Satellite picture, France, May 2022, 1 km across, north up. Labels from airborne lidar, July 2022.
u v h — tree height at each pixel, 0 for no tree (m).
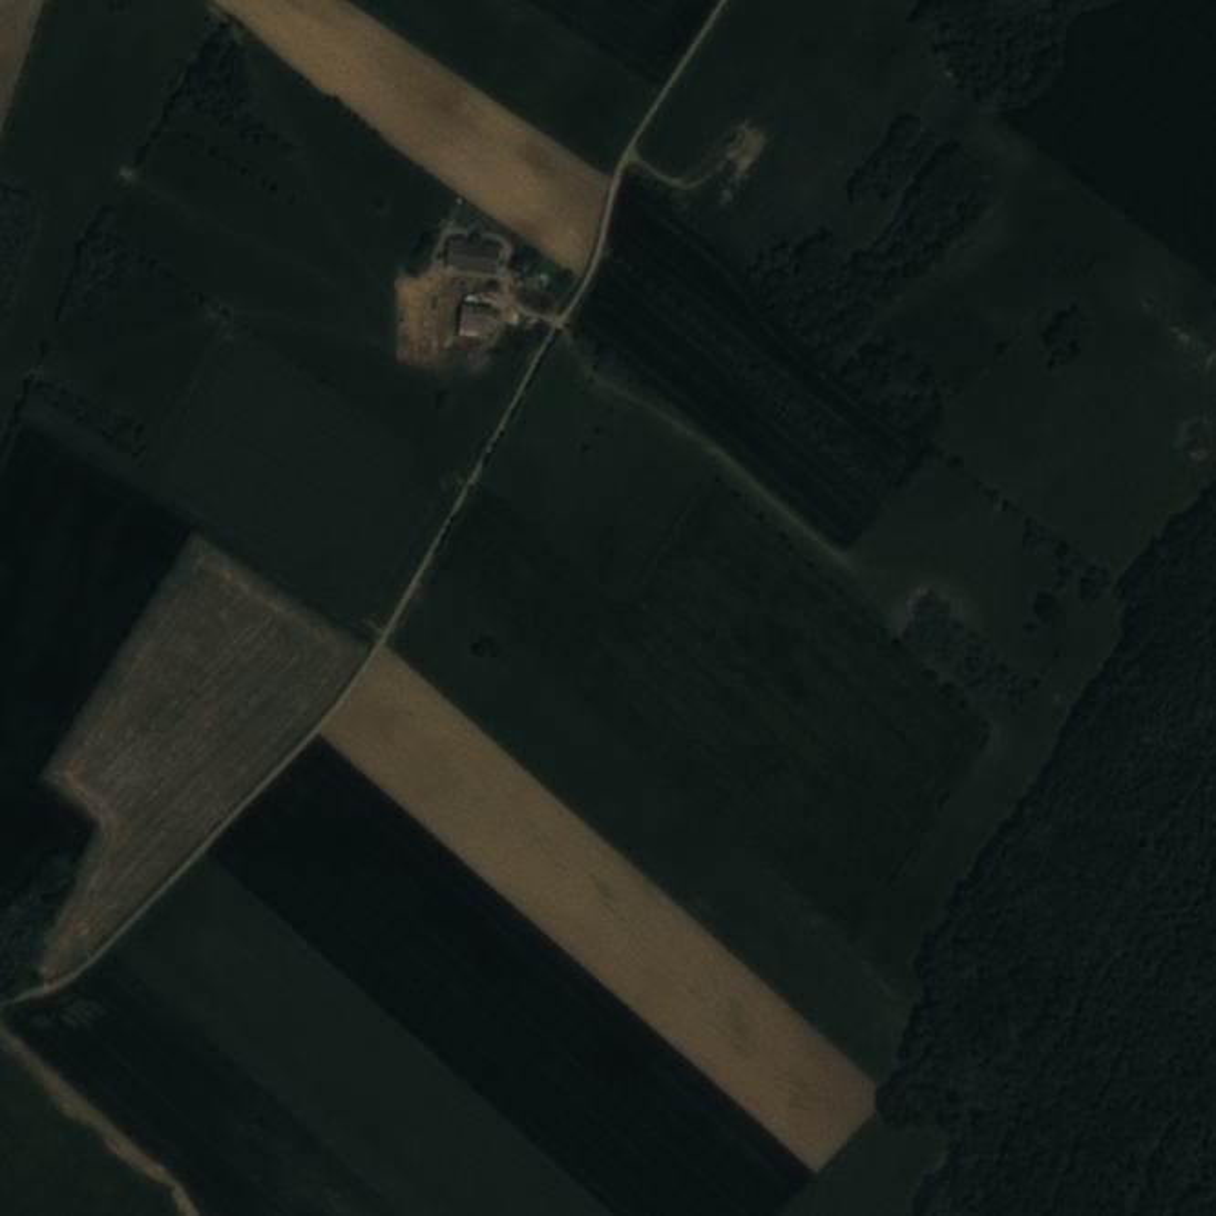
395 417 0
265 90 0
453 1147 0
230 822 0
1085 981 10
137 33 0
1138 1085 15
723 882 0
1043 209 0
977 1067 9
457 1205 0
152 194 0
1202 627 22
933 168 17
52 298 0
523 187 0
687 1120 0
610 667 0
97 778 0
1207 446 0
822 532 0
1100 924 18
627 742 0
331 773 0
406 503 0
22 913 24
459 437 0
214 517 0
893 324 0
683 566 0
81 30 0
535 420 0
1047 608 19
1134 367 0
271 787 0
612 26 0
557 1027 0
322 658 0
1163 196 0
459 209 0
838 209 0
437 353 0
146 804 0
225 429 0
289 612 0
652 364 0
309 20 0
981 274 0
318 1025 0
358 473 0
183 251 0
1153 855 11
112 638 0
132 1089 0
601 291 0
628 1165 0
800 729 0
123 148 0
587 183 0
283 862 0
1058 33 10
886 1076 0
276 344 0
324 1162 0
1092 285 0
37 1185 0
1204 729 22
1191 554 23
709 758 0
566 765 0
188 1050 0
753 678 0
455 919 0
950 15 19
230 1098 0
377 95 0
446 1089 0
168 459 0
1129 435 0
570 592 0
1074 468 0
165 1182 0
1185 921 12
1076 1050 18
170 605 0
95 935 0
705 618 0
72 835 0
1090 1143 22
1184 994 17
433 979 0
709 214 0
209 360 0
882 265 14
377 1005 0
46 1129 0
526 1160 0
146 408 0
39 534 0
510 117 0
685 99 0
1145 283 0
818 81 0
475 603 0
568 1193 0
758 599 0
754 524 0
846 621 0
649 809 0
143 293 0
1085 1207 20
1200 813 9
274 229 0
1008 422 0
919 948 0
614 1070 0
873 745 0
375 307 0
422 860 0
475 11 0
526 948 0
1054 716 0
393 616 0
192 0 0
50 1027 0
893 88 0
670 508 0
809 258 16
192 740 0
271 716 0
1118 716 24
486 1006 0
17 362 0
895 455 0
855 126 0
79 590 0
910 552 0
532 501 0
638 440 0
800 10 0
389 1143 0
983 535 0
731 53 0
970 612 0
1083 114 0
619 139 0
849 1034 0
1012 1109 16
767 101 0
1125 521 0
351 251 0
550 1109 0
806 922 0
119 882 0
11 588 0
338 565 0
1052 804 19
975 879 6
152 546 0
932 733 0
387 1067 0
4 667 0
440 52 0
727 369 0
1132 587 21
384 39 0
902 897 0
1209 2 0
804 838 0
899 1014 0
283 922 0
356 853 0
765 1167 0
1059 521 0
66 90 0
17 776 0
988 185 11
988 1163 19
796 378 0
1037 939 23
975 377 0
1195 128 0
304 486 0
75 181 0
